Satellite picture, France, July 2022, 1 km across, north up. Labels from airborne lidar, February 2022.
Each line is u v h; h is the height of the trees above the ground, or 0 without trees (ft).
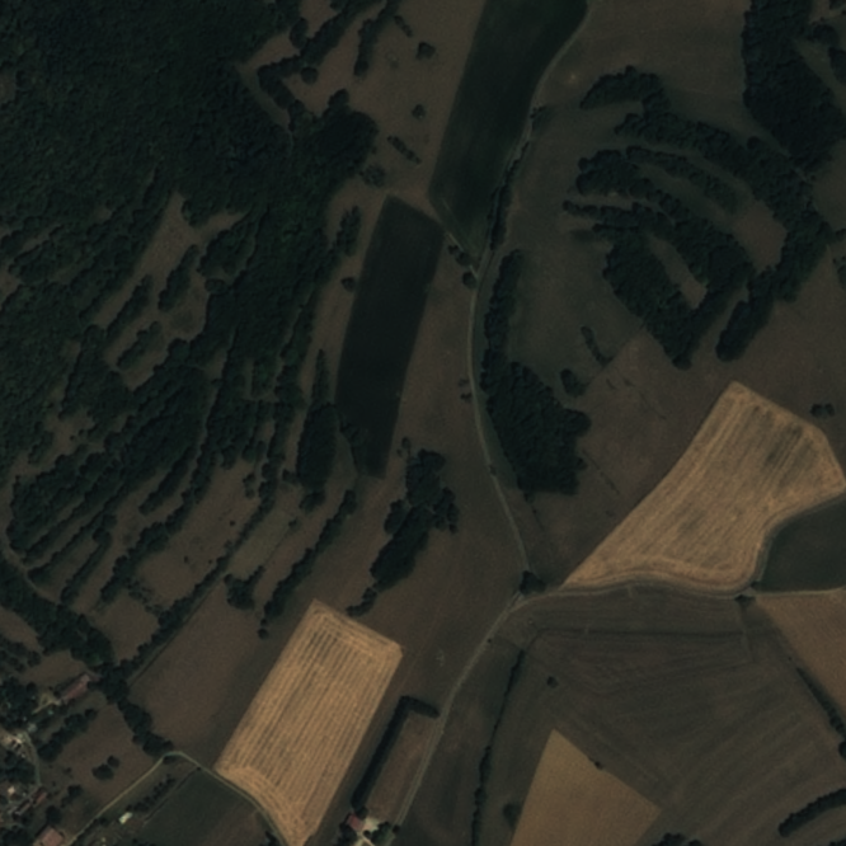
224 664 0
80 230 36
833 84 0
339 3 40
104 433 34
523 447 37
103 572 0
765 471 0
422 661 0
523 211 0
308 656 0
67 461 40
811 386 0
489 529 0
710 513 0
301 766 0
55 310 35
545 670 0
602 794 0
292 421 45
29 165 50
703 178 32
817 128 87
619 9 0
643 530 0
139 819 0
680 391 0
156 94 73
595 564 0
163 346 0
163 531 55
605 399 0
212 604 0
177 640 0
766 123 58
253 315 56
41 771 0
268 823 0
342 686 0
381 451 0
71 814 0
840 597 0
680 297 52
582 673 0
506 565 0
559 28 0
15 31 36
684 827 0
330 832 0
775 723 0
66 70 41
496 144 0
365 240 0
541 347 0
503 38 0
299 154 27
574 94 0
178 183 43
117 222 43
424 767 0
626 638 0
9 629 0
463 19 0
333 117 35
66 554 20
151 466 66
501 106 0
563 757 0
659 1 0
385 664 0
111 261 46
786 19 75
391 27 0
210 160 100
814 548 0
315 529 0
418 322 0
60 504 49
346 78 0
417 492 58
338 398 0
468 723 0
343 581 0
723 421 0
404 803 0
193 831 0
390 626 0
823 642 0
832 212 0
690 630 0
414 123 0
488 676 0
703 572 0
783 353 0
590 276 0
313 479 57
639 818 0
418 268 0
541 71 0
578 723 0
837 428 0
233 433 45
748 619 0
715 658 0
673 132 28
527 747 0
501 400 47
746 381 0
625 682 0
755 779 0
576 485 33
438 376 0
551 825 0
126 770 0
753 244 0
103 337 38
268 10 53
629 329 0
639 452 0
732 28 0
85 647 52
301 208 65
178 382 44
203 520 0
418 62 0
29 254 30
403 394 0
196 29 68
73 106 50
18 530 66
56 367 31
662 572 0
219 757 0
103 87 55
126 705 41
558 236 0
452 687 0
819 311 0
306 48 35
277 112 0
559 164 0
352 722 0
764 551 0
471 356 0
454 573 0
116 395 57
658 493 0
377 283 0
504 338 65
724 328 0
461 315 0
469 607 0
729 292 57
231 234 43
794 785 0
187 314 0
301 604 0
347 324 0
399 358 0
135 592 31
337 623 0
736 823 0
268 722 0
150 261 0
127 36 76
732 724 0
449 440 0
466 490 0
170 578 0
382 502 0
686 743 0
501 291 56
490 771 37
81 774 0
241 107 27
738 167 37
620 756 0
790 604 0
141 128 46
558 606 0
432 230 0
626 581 0
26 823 60
